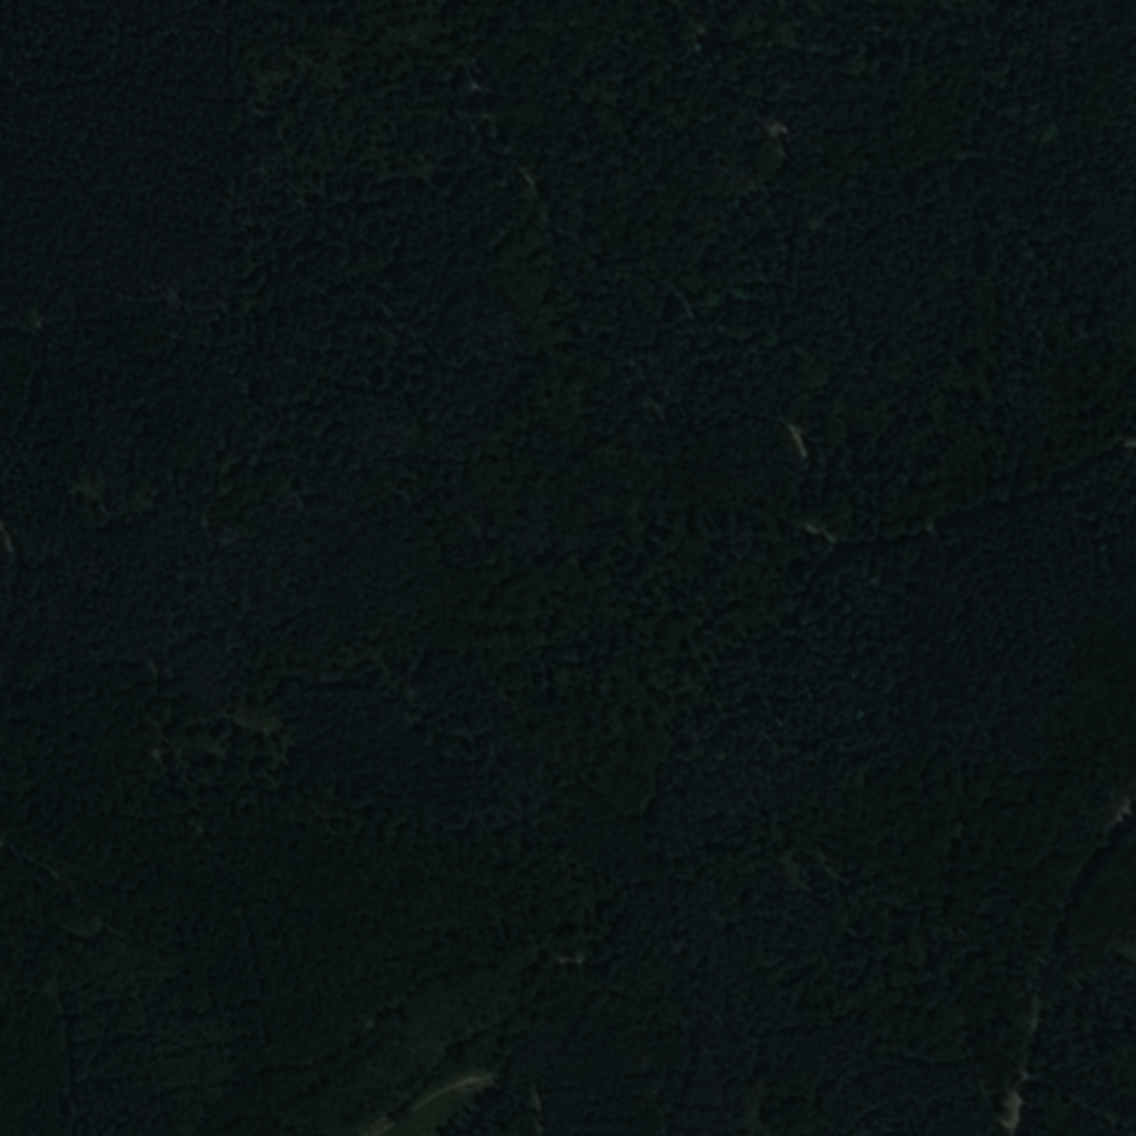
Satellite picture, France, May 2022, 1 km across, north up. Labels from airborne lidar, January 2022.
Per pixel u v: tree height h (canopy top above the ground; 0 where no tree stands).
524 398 29
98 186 22
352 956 18
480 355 22
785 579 25
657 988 13
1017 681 19
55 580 21
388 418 21
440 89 18
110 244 21
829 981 20
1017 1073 22
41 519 21
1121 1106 21
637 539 13
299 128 6
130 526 8
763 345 30
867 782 20
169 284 19
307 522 22
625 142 28
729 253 33
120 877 22
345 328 24
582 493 20
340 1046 16
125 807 21
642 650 28
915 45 37
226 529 18
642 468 25
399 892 18
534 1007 19
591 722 23
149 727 18
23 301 26
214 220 17
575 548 19
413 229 26
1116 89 20
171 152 18
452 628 15
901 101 26
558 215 26
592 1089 15
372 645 8
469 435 21
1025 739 19
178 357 15
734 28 33
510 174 24
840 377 33
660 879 14
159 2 22
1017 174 27
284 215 21
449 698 22
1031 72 26
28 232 28
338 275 9
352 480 22
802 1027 17
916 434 22
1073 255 32
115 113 24
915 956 25
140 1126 19
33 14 25
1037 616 23
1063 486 19
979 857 18
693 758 26
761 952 24
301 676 7
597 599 29
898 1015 19
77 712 14
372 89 11
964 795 21
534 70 31
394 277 21
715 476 19
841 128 27
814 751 18
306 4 19
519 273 31
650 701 21
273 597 20
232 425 22
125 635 16
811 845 23
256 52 11
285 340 25
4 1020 8
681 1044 11
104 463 14
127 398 16
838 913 27
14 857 22
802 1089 19
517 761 23
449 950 20
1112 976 27
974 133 37
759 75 39
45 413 15
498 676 23
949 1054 16
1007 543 22
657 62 27
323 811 20
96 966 21
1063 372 15
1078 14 26
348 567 16
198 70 22
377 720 16
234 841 20
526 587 29
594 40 26
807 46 35
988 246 35
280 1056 16
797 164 28
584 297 31
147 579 18
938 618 25
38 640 20
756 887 19
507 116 28
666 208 25
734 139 24
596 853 17
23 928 9
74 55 24
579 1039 21
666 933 20
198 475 17
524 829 11
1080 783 26
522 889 19
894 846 21
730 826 25
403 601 12
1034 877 21
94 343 19
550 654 27
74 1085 17
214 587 18
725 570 27
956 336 20
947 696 27
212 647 19
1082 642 14
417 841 16
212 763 20
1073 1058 21
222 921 20
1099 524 18
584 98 27
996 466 14
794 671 32
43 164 26
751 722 28
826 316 31
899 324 32
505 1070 16
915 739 20
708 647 33
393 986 22
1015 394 27
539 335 31
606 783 19
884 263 28
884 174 30
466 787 16
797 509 26
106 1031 15
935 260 32
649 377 28
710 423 21
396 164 8
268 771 16
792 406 26
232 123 18
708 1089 21
